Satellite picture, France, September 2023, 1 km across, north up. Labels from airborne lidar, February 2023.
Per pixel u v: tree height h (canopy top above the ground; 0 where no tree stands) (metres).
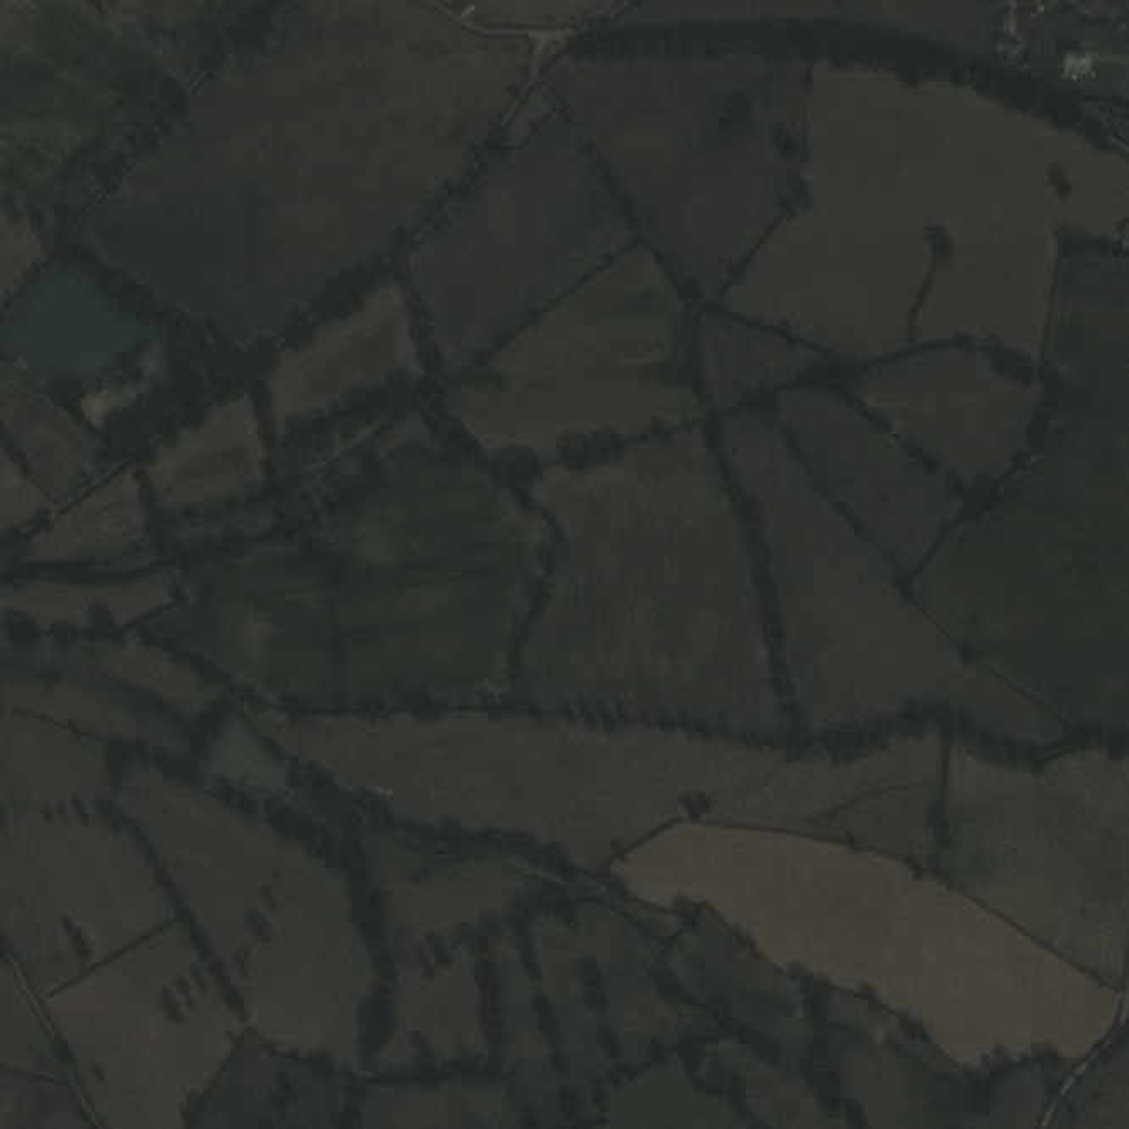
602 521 0
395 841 0
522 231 0
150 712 0
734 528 0
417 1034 0
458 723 0
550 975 0
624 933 0
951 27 0
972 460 0
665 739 0
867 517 0
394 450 0
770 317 0
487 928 12
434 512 0
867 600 0
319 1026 0
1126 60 0
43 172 0
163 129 19
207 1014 0
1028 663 0
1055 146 0
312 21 0
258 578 0
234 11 0
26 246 0
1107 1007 0
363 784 0
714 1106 0
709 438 15
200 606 0
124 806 0
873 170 0
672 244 0
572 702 0
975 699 0
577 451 20
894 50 21
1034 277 0
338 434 0
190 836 0
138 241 0
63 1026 0
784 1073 0
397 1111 0
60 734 0
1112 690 0
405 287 14
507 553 0
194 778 16
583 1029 0
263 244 0
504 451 0
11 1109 0
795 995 0
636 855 0
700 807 14
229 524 0
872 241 0
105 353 0
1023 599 0
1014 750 14
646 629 0
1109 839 0
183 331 19
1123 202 0
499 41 0
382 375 0
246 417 0
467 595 0
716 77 0
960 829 0
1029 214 0
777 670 16
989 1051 0
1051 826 0
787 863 0
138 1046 0
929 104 0
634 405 0
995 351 16
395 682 0
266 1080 0
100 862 0
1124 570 0
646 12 0
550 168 0
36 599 0
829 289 0
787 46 19
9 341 0
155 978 0
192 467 0
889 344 0
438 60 0
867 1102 0
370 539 0
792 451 9
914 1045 0
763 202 0
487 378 0
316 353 0
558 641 0
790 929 0
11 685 0
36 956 0
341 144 0
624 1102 0
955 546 0
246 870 0
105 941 0
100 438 8
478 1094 0
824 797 0
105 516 0
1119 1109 0
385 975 16
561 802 0
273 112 0
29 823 0
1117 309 0
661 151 0
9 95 0
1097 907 0
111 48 0
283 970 0
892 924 0
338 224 0
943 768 0
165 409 12
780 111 0
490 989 17
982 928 0
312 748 0
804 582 0
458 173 0
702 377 12
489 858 0
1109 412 0
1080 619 0
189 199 0
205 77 11
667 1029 0
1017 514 0
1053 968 0
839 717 0
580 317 0
